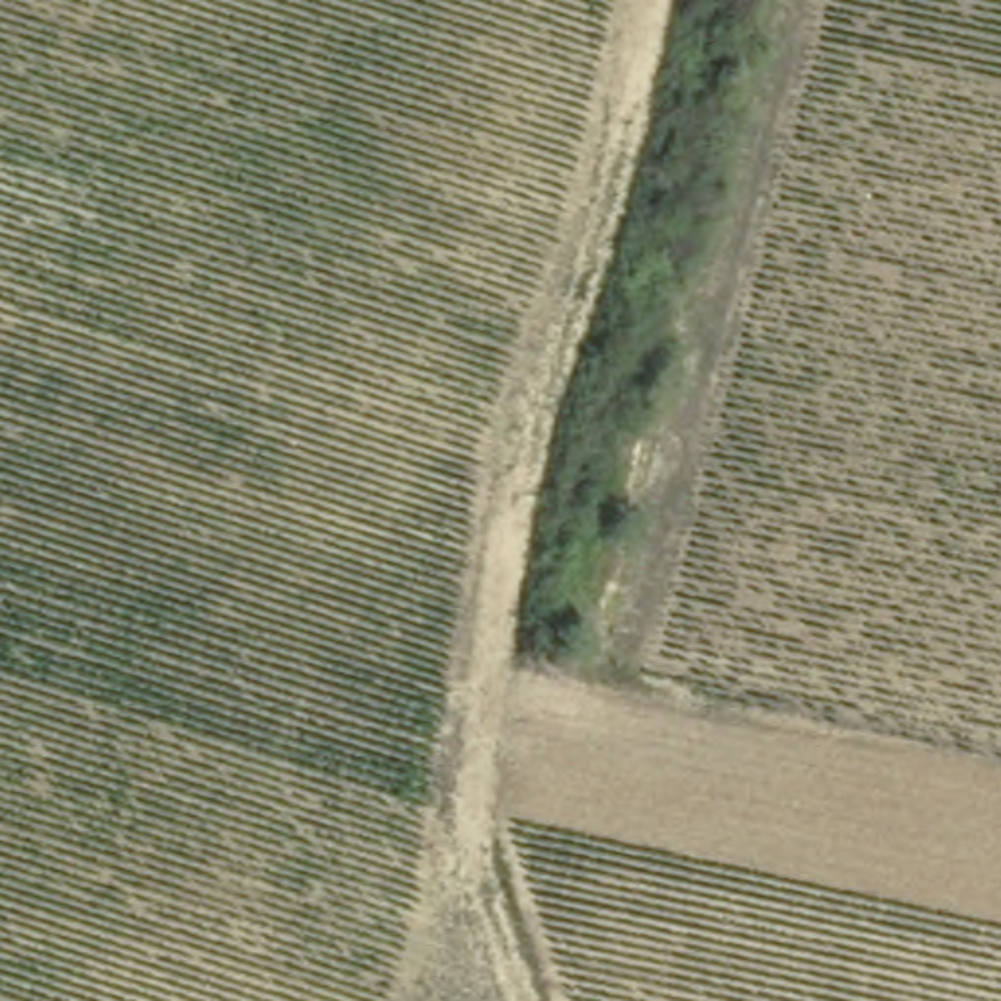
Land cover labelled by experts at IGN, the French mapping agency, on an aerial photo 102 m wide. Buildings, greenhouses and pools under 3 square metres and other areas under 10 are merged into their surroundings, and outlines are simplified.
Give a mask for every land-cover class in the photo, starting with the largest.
<instances>
[{"label":"vineyard","instance_id":"1","mask_svg":"<svg viewBox=\"0 0 1001 1001\"><path fill-rule=\"evenodd\" d=\"M610 0H0V1001H391L395 962L407 938V911L414 907L418 888L414 872L422 805L438 813L454 809L457 770L465 762V712L446 704V692L473 669V626L481 606L485 563L465 559L473 450L481 426L489 422L485 403L497 399L508 344L520 328V317L504 309V297L536 289L544 250L547 242H555L559 215L540 211L536 196L563 199L567 192L563 180L575 168V141L583 137ZM778 168L774 180H762L755 196L743 258L739 266L723 262L719 254L704 262L688 274V285H680L669 297L676 356L657 375L653 422L637 434L665 457L669 477L657 481L645 497L630 501L641 512V524H633L630 516L618 524L610 579L630 583L622 633L641 641V680H649V696L630 692L641 708L673 719H708L739 727L751 708H766L809 716L845 731H876L923 743L931 751H958L1001 762V0H829L821 63L813 66L809 86L786 82L770 152ZM493 872L501 880L516 950L532 974V989L540 1001H1001V919L782 876L731 860L684 856L657 845L598 837L567 825H544L532 817H516L512 829H489Z\"/></svg>","mask_w":1001,"mask_h":1001},{"label":"herbaceous vegetation","instance_id":"2","mask_svg":"<svg viewBox=\"0 0 1001 1001\"><path fill-rule=\"evenodd\" d=\"M673 0H610L583 137L575 141V168L563 180L567 192L563 199L536 196L540 211L559 215L555 242H547L544 250L536 289L504 297V309L520 317V328L508 344L497 399L485 403L489 422L481 426L473 450L465 559L485 563L481 606L473 626V669L446 692V704L465 712V762L457 770L454 809L438 813L422 805L414 872L418 888L414 907L407 911V938L395 962L391 1001H540L532 989V974L516 950L501 880L493 872L489 829V802L497 786L493 751L504 716H575L579 696L590 684L630 692L649 696V680H641V641L622 633L630 583L610 579L598 594L594 614L587 622L579 618V626L571 630L567 653L555 665L547 661L544 673L512 665L516 598L524 583L532 508L547 465L555 407L571 379L579 344L590 328L614 231L626 211L633 164L649 125V94ZM829 0H759L755 16L770 47L766 55H759L755 66H735V74L723 78V117H708L716 137L712 160H723L731 176L723 199L727 215L708 231L704 262L719 254L723 262L739 266L743 258L755 196L762 180H774L778 168L770 152L786 82L809 86L813 66L821 63Z\"/></svg>","mask_w":1001,"mask_h":1001},{"label":"plowed land","instance_id":"3","mask_svg":"<svg viewBox=\"0 0 1001 1001\"><path fill-rule=\"evenodd\" d=\"M497 786L489 802V829H512L516 817H532L544 825H567L598 837L657 845L684 856L731 860L782 876L1001 919V762L958 751H931L923 743L876 731H845L809 716L766 708H751L739 727L708 719H673L641 708L630 692L590 684L579 696L575 716H504L493 751Z\"/></svg>","mask_w":1001,"mask_h":1001},{"label":"brushwood","instance_id":"4","mask_svg":"<svg viewBox=\"0 0 1001 1001\"><path fill-rule=\"evenodd\" d=\"M759 0H673L649 94V125L633 164L626 211L614 231L590 328L579 344L571 379L555 407L547 465L532 508L524 583L516 598L512 665L544 673L547 661L555 665L567 653L571 630L579 626V618L587 622L594 614L598 594L610 579L618 524L630 516L633 524H641V512L630 501L645 497L657 481L669 477L665 457L637 434L653 422L657 375L676 356L669 297L680 285H688V274L704 262L708 231L727 215L723 199L731 176L723 160H712L716 137L708 117H723V78L735 74V66H755L759 55H766L770 47L755 16Z\"/></svg>","mask_w":1001,"mask_h":1001}]
</instances>
